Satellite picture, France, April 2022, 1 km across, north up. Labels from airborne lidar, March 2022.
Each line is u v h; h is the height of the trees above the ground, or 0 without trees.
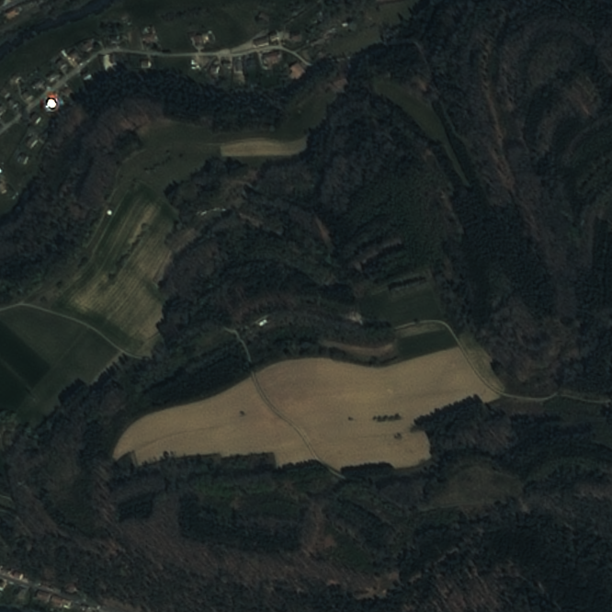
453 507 0
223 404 0
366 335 27
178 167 0
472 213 25
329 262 24
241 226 18
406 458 0
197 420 0
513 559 12
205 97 19
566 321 21
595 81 20
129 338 0
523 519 22
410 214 18
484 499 0
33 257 13
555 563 20
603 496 24
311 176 28
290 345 13
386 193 16
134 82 26
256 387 0
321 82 18
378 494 16
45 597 0
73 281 0
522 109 20
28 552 20
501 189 31
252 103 17
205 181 17
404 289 14
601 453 17
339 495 18
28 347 0
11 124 0
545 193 25
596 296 25
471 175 19
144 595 26
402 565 14
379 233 22
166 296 20
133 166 0
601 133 19
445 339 0
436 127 0
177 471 22
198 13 8
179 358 22
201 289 20
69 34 0
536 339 20
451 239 18
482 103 30
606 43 27
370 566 8
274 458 0
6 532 25
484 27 21
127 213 0
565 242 26
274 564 27
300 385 0
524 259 28
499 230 25
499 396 0
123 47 9
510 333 24
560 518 23
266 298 14
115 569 24
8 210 0
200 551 24
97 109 23
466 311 12
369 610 28
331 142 26
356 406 0
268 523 19
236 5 0
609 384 22
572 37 25
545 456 16
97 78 0
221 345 0
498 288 17
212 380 16
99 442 19
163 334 16
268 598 27
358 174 28
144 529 26
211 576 24
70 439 25
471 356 0
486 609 28
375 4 7
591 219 24
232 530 19
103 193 24
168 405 16
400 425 0
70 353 0
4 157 0
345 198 23
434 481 17
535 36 27
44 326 0
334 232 22
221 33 0
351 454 0
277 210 22
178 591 22
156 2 0
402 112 14
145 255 0
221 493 19
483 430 29
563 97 18
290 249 14
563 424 17
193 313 22
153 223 0
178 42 0
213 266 23
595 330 26
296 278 21
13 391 0
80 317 0
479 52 25
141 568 24
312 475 19
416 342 0
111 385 25
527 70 21
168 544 25
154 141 0
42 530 23
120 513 11
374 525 20
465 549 28
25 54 0
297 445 0
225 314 20
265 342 13
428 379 0
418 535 9
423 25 13
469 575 30
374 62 14
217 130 14
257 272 23
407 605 7
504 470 17
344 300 21
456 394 0
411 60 16
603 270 17
